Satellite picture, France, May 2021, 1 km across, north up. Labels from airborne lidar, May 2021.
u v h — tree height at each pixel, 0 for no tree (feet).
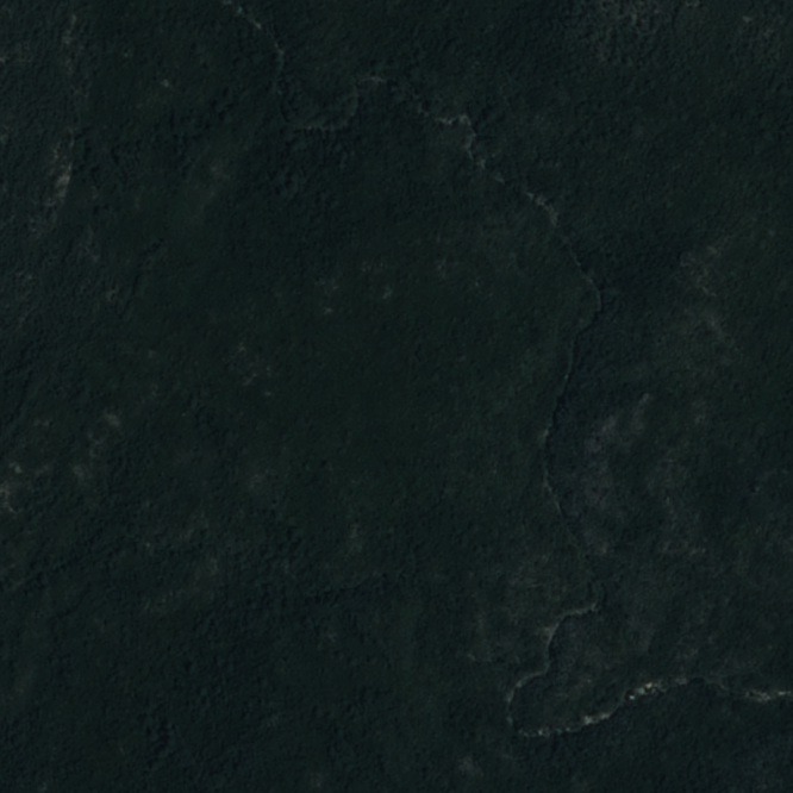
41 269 34
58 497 57
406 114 60
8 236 40
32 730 34
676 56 41
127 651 40
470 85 19
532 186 50
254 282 25
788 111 44
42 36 43
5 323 40
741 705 42
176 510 37
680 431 19
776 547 39
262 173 61
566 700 18
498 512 21
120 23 38
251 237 23
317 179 50
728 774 20
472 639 20
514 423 19
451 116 30
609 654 23
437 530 18
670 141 32
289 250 28
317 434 31
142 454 37
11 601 24
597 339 19
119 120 22
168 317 22
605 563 18
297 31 58
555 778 35
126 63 40
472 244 28
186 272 24
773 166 33
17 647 23
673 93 21
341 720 24
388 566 43
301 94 71
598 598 53
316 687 18
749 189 40
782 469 25
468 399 23
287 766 25
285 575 32
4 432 59
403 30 38
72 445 46
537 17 30
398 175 18
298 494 19
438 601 52
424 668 27
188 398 20
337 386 20
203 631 77
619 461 25
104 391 23
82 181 23
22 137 29
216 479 34
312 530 21
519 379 23
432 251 18
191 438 17
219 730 26
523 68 27
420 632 35
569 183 22
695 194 27
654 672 27
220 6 45
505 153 20
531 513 33
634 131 29
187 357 27
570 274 21
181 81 19
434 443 26
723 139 24
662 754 86
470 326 28
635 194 21
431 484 25
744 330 33
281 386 18
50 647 23
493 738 29
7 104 33
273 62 38
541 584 26
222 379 27
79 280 37
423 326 26
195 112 40
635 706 22
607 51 52
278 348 26
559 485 27
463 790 25
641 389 21
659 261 36
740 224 26
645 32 49
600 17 58
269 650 34
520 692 20
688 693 27
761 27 33
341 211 34
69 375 48
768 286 18
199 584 26
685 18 49
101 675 26
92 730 26
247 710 20
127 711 46
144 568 21
